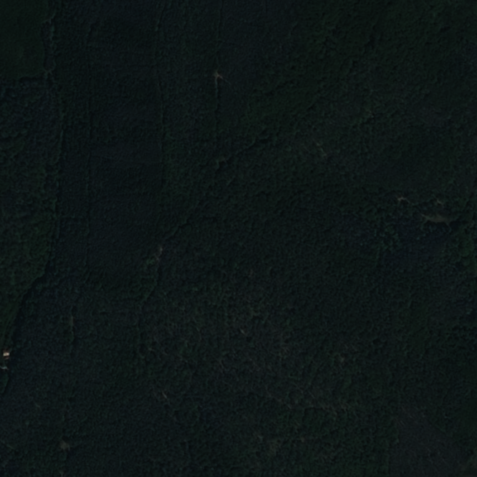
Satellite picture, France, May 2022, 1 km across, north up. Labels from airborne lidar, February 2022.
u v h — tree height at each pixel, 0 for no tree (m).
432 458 25
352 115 22
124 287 26
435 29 21
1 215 26
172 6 18
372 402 24
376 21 26
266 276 21
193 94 24
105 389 22
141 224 21
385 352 29
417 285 21
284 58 19
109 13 23
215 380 22
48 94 34
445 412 14
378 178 20
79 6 25
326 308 26
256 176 25
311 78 28
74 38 16
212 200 20
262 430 24
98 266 24
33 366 27
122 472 24
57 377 25
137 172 15
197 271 20
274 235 26
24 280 30
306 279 26
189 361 27
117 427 26
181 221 22
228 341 22
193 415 30
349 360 17
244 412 25
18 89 26
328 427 18
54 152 28
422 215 29
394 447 19
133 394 26
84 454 24
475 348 23
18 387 24
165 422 30
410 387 27
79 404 26
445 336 26
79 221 25
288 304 20
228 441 25
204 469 26
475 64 19
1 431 28
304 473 21
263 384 24
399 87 20
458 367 19
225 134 25
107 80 21
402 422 19
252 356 21
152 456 26
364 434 27
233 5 17
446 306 21
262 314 22
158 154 17
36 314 25
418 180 19
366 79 23
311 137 26
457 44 25
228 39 17
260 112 20
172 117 23
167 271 18
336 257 24
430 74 21
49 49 19
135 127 19
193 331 20
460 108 22
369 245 25
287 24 19
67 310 24
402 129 24
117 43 23
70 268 21
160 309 18
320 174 27
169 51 22
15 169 25
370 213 29
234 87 16
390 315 28
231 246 23
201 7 22
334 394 21
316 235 29
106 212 24
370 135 22
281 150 25
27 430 23
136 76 20
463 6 15
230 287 19
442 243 13
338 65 25
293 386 22
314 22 25
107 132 22
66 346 26
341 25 23
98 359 23
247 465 23
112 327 21
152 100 21
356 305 24
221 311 22
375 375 27
